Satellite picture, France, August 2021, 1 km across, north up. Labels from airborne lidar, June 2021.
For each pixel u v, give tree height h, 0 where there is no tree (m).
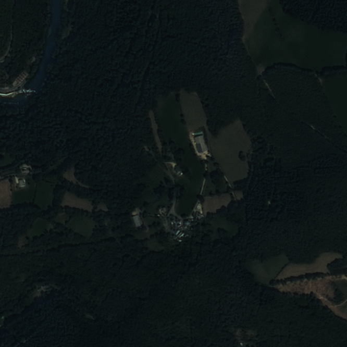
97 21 18
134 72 21
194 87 17
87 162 16
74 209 9
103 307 13
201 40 16
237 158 0
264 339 10
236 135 0
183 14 20
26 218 16
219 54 13
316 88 17
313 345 18
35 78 0
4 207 0
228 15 9
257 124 20
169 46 22
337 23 29
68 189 10
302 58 0
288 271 0
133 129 26
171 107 0
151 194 0
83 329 13
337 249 14
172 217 6
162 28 18
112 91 20
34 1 21
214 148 0
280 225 16
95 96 29
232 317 11
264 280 0
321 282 22
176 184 8
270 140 22
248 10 0
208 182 0
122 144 19
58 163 9
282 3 10
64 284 15
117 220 18
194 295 15
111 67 24
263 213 29
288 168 22
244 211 15
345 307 0
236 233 0
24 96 0
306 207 20
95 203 11
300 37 0
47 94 21
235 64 7
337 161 29
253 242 18
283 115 18
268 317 19
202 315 16
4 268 17
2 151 17
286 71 16
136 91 26
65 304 12
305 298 16
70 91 18
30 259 17
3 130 14
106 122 11
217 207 0
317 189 13
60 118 28
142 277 23
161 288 22
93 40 23
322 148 17
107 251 9
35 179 20
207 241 19
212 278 17
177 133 0
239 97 17
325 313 21
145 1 18
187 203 0
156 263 23
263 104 19
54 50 16
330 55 0
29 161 19
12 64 22
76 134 24
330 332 17
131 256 16
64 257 28
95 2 23
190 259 15
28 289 13
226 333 16
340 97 0
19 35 21
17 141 16
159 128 7
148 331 18
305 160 22
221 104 23
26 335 22
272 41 0
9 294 18
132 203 13
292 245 13
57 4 0
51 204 0
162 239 9
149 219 0
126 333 22
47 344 28
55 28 0
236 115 24
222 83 10
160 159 19
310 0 25
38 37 13
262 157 23
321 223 9
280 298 21
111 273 18
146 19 18
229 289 9
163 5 21
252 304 15
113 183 21
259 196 26
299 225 16
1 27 14
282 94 18
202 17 19
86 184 15
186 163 0
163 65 24
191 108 0
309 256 18
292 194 27
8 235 14
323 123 21
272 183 26
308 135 16
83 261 17
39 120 21
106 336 12
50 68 22
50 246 15
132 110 22
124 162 18
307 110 17
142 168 22
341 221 15
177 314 13
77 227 0
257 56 0
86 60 23
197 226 15
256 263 0
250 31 0
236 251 20
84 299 18
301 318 22
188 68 19
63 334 28
